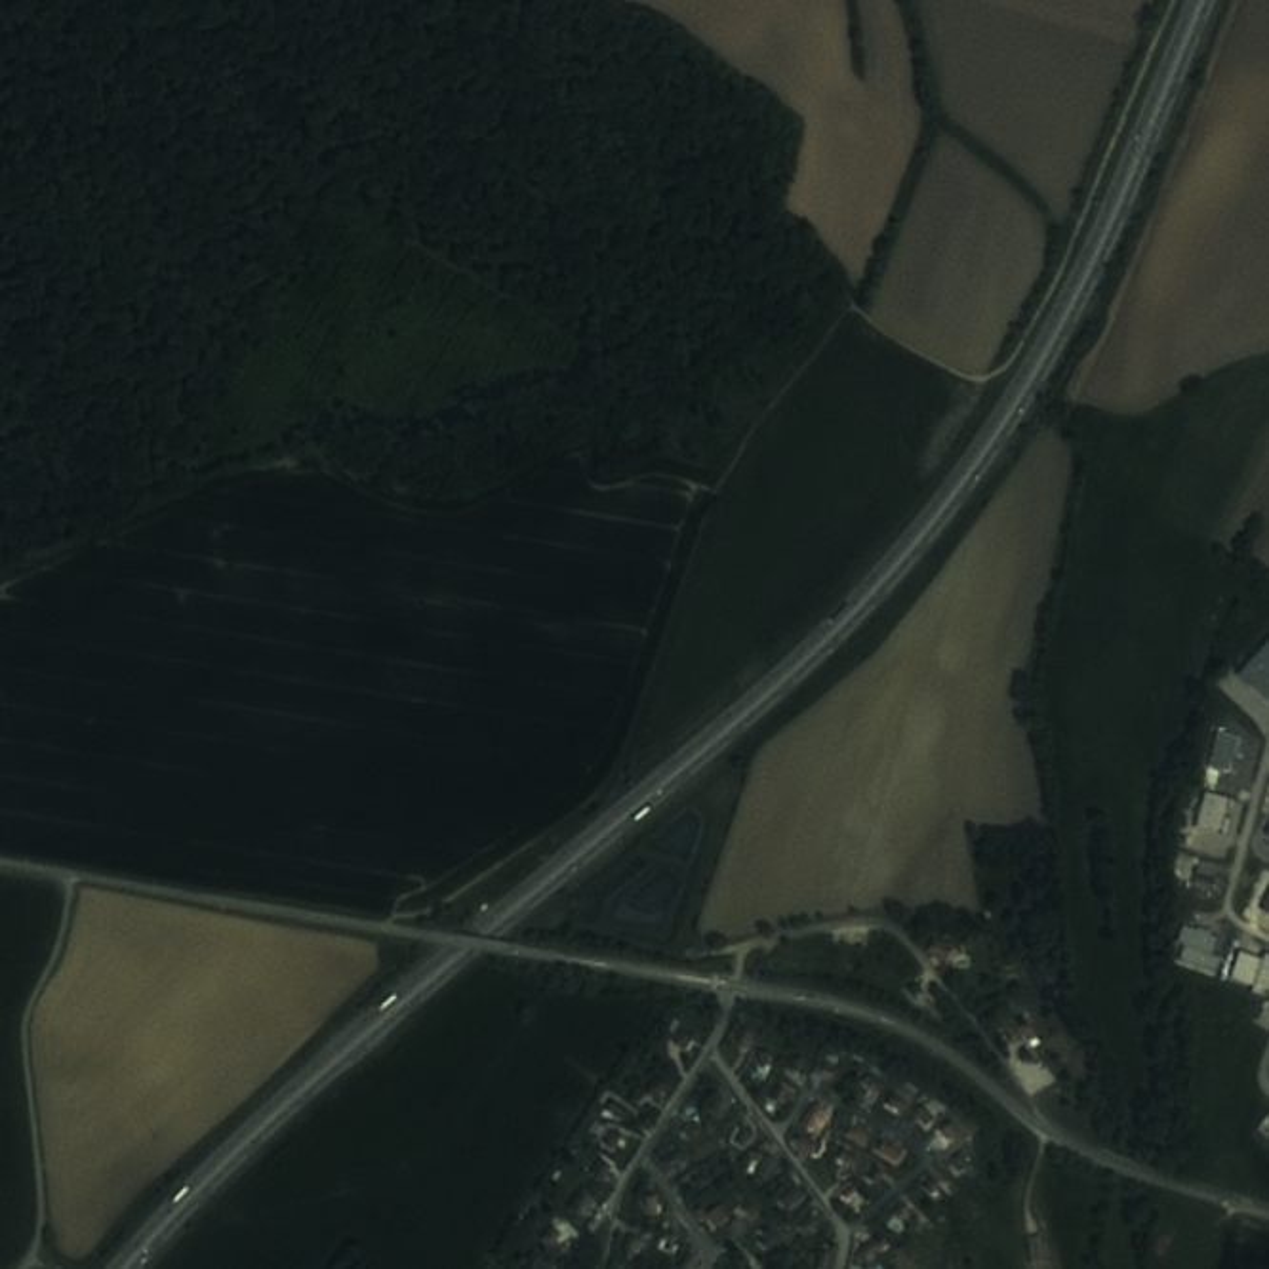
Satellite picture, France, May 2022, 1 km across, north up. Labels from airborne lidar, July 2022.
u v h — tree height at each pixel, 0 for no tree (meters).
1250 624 0
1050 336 0
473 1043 0
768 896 0
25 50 25
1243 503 0
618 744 0
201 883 0
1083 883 0
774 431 0
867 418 0
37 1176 0
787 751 0
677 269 19
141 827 0
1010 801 0
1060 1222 0
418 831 0
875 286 10
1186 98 0
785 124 18
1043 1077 0
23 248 29
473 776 0
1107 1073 19
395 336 9
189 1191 0
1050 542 0
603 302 23
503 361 0
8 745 0
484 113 28
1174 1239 0
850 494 0
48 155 21
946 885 0
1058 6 0
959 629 0
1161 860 15
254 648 0
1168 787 19
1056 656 0
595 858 0
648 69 23
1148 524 0
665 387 26
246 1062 0
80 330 29
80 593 0
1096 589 0
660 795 0
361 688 0
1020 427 7
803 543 0
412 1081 0
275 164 25
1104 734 0
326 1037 0
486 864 0
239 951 0
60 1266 0
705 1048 0
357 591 0
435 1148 0
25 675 0
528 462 14
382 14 24
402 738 0
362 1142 0
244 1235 0
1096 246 0
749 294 29
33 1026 0
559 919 0
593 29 24
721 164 26
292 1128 0
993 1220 0
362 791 0
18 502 28
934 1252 0
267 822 0
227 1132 0
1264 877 0
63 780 0
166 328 26
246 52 23
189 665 0
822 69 0
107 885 0
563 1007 0
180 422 26
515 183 23
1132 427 0
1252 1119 0
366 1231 0
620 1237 7
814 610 0
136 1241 0
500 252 23
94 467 29
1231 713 0
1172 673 0
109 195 23
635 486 0
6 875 0
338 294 5
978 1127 8
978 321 0
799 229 21
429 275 8
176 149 25
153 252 27
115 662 0
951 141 0
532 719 0
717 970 0
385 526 0
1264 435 0
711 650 0
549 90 25
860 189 0
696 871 0
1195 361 0
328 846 0
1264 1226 0
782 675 0
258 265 25
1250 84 0
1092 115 0
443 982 0
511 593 0
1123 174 0
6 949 0
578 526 0
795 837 0
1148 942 14
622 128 26
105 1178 0
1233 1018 0
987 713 0
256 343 21
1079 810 0
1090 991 0
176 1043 0
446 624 0
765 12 0
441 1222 0
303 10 22
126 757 0
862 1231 0
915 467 0
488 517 0
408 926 0
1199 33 0
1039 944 23
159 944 0
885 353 0
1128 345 0
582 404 24
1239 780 0
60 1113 0
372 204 32
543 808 0
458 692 0
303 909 0
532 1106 0
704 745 0
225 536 0
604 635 0
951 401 0
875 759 0
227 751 0
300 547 0
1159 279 0
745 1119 0
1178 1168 11
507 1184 0
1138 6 0
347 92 25
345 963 0
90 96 26
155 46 26
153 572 0
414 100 26
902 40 0
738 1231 0
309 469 0
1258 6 0
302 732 0
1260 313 0
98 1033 0
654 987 12
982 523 0
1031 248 0
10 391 25
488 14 28
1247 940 0
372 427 25
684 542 0
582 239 26
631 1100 8
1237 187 0
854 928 0
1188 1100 17
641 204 22
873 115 0
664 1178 0
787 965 0
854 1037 15
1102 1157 0
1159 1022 11
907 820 0
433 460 26
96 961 0
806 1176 0
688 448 22
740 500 0
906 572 0
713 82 26
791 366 0
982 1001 8
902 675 0
